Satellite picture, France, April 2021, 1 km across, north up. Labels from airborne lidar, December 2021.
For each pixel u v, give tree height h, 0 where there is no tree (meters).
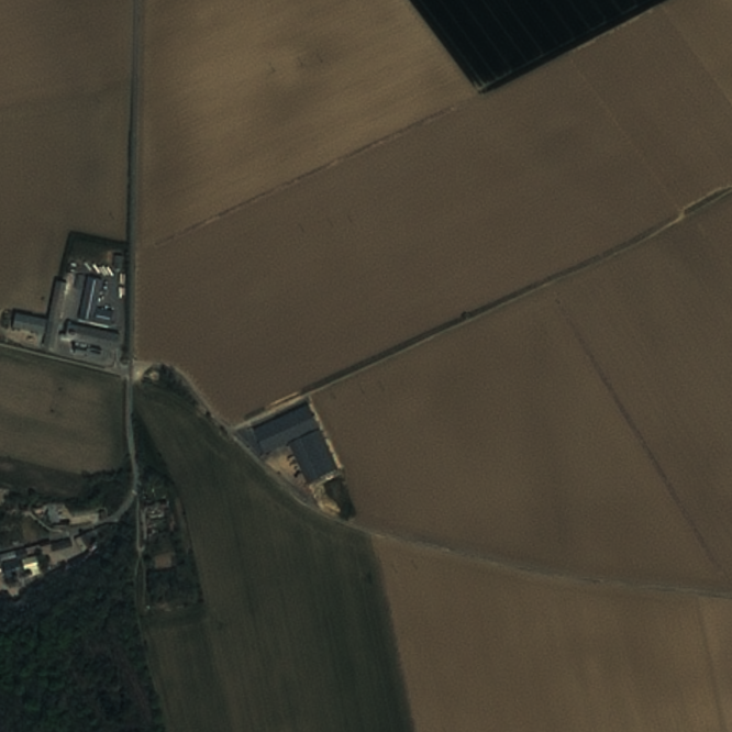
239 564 0
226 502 0
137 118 0
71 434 0
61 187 0
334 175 0
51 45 0
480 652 0
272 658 0
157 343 0
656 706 0
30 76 0
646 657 0
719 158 0
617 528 0
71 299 0
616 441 0
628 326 0
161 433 0
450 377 0
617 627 0
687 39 0
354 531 0
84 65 0
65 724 26
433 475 0
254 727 0
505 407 0
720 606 0
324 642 0
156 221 0
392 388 0
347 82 0
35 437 0
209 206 0
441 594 0
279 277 0
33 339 0
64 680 14
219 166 0
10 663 10
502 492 0
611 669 0
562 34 0
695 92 0
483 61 0
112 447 0
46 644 20
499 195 0
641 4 0
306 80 0
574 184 0
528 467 0
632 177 0
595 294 0
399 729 0
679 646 0
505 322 0
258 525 0
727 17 0
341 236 0
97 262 0
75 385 0
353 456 0
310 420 0
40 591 13
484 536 0
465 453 0
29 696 13
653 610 0
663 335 0
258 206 0
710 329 0
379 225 0
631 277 0
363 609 0
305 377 0
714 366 0
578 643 0
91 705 13
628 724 0
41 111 0
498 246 0
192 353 0
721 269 0
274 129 0
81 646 16
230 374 0
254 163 0
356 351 0
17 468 0
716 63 0
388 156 0
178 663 0
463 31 0
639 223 0
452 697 0
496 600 0
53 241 0
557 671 0
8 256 0
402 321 0
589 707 0
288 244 0
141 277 0
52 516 0
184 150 0
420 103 0
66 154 0
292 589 0
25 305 0
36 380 0
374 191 0
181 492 0
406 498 0
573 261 0
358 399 0
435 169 0
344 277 0
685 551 0
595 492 0
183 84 0
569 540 0
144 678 14
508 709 0
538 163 0
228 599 0
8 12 0
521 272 0
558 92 0
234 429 0
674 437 0
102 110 0
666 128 0
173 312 0
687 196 0
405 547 0
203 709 0
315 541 0
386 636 0
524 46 0
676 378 0
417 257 0
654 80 0
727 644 0
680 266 0
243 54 0
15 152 0
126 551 19
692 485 0
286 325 0
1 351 0
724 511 0
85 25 0
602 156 0
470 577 0
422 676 0
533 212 0
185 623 0
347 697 0
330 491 0
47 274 0
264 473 0
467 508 0
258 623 0
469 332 0
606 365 0
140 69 0
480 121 0
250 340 0
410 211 0
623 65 0
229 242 0
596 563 0
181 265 0
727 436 0
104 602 17
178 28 0
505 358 0
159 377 12
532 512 0
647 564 0
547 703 0
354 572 0
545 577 0
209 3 0
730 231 0
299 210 0
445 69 0
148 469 7
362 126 0
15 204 0
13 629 14
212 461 0
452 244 0
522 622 0
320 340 0
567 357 0
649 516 0
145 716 14
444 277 0
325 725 0
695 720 0
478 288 0
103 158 0
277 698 0
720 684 0
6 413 0
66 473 0
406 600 0
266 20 0
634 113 0
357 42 0
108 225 0
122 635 17
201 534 0
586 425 0
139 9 0
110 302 0
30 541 0
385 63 0
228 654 0
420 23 0
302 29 0
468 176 0
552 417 0
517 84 0
